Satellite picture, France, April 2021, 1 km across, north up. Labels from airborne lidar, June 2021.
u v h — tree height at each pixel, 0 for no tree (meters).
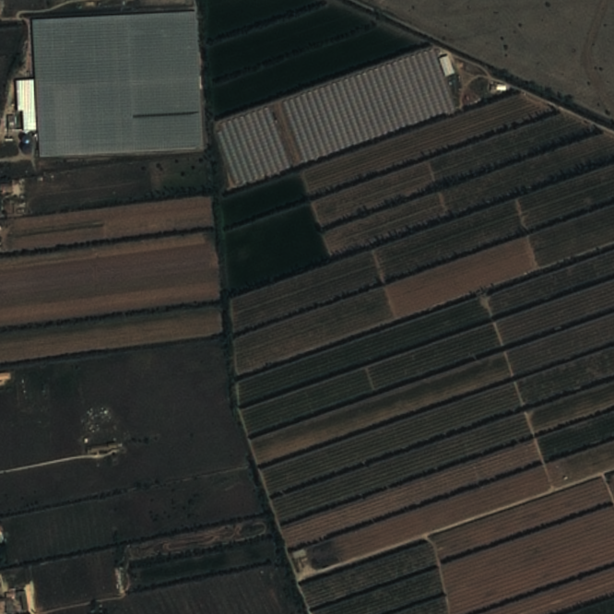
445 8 0
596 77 0
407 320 8
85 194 0
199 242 0
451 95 0
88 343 0
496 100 12
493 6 0
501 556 0
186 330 0
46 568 0
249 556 0
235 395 9
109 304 0
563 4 0
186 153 0
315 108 0
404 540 0
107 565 0
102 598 0
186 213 0
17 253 7
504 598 0
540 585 0
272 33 0
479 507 0
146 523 0
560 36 0
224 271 10
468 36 0
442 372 11
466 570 0
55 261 0
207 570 0
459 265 0
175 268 0
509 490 0
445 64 0
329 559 0
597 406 0
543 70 0
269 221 0
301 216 0
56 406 0
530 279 10
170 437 0
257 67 7
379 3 0
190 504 7
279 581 0
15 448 0
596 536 0
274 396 11
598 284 11
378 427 11
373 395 10
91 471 0
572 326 11
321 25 0
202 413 0
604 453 0
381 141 11
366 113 0
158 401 0
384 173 11
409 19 0
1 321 0
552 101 18
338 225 12
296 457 12
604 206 10
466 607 0
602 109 0
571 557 0
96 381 0
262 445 0
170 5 0
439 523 0
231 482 0
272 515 18
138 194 0
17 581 0
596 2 0
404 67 0
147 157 0
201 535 0
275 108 0
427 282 0
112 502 0
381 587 10
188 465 0
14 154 0
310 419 11
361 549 0
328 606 10
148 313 6
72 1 0
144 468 0
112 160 0
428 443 11
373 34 0
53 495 0
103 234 0
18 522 0
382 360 11
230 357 9
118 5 0
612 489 0
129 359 0
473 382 0
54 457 0
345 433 0
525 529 0
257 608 0
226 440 0
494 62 0
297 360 12
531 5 0
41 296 0
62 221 0
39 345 0
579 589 0
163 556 6
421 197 14
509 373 0
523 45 0
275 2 0
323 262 7
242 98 0
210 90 12
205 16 8
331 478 11
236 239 0
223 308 10
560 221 12
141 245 0
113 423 0
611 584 0
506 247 0
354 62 0
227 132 0
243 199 0
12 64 6
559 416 0
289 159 0
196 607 0
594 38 0
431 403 0
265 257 0
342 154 10
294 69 0
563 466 0
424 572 10
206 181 0
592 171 17
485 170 15
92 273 0
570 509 0
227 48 0
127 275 0
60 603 0
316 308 10
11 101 0
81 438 0
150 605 0
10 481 0
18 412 0
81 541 0
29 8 0
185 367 0
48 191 0
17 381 0
